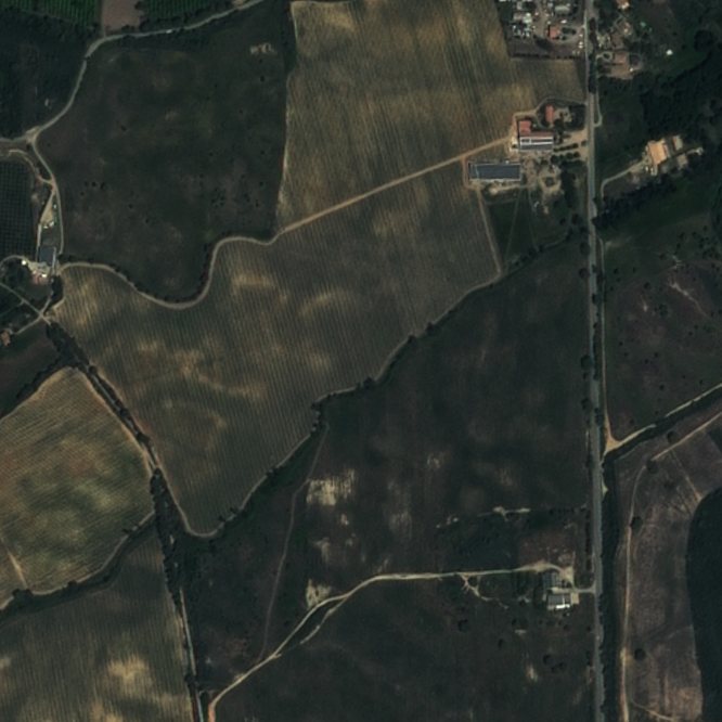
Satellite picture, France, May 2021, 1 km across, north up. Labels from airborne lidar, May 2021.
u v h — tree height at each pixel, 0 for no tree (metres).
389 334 0
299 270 0
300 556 0
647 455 0
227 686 0
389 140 0
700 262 0
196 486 0
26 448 0
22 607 9
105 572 0
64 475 0
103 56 0
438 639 0
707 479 0
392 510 0
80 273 0
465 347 0
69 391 0
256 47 0
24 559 0
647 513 0
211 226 0
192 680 12
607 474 6
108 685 0
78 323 0
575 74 0
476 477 0
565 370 0
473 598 0
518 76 0
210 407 0
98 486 0
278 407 0
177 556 10
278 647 0
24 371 0
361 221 0
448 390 0
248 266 0
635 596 0
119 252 0
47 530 0
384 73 0
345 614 0
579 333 0
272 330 0
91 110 0
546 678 0
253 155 0
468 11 0
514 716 0
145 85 0
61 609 0
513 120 0
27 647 0
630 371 0
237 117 0
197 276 0
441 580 0
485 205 0
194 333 0
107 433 0
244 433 0
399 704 0
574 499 0
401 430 0
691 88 21
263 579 0
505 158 0
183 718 0
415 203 0
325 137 0
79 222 0
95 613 0
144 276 0
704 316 0
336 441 0
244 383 0
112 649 0
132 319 0
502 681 0
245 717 0
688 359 0
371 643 0
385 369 0
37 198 0
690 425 0
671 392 0
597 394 0
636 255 0
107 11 0
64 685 0
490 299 0
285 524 0
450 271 0
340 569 0
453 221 0
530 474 0
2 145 0
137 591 0
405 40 0
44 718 0
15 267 9
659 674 0
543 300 0
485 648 0
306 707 0
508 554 0
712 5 10
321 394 0
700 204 0
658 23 0
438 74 0
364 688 0
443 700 0
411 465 0
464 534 0
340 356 0
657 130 12
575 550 0
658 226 0
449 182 0
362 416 0
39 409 0
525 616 0
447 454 0
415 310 0
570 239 11
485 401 0
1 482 0
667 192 14
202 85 0
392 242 0
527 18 0
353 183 0
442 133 0
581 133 0
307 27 0
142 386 0
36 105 0
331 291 0
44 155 0
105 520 0
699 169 30
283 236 0
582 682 0
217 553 14
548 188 0
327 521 0
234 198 0
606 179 0
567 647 0
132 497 0
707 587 6
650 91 11
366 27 0
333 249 0
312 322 0
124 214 0
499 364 0
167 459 0
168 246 0
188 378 0
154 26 13
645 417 0
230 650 0
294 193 0
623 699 0
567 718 0
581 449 0
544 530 0
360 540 0
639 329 0
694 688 0
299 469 0
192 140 0
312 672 0
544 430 0
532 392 0
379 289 0
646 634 0
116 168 0
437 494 0
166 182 0
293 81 0
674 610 0
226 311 0
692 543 6
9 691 0
